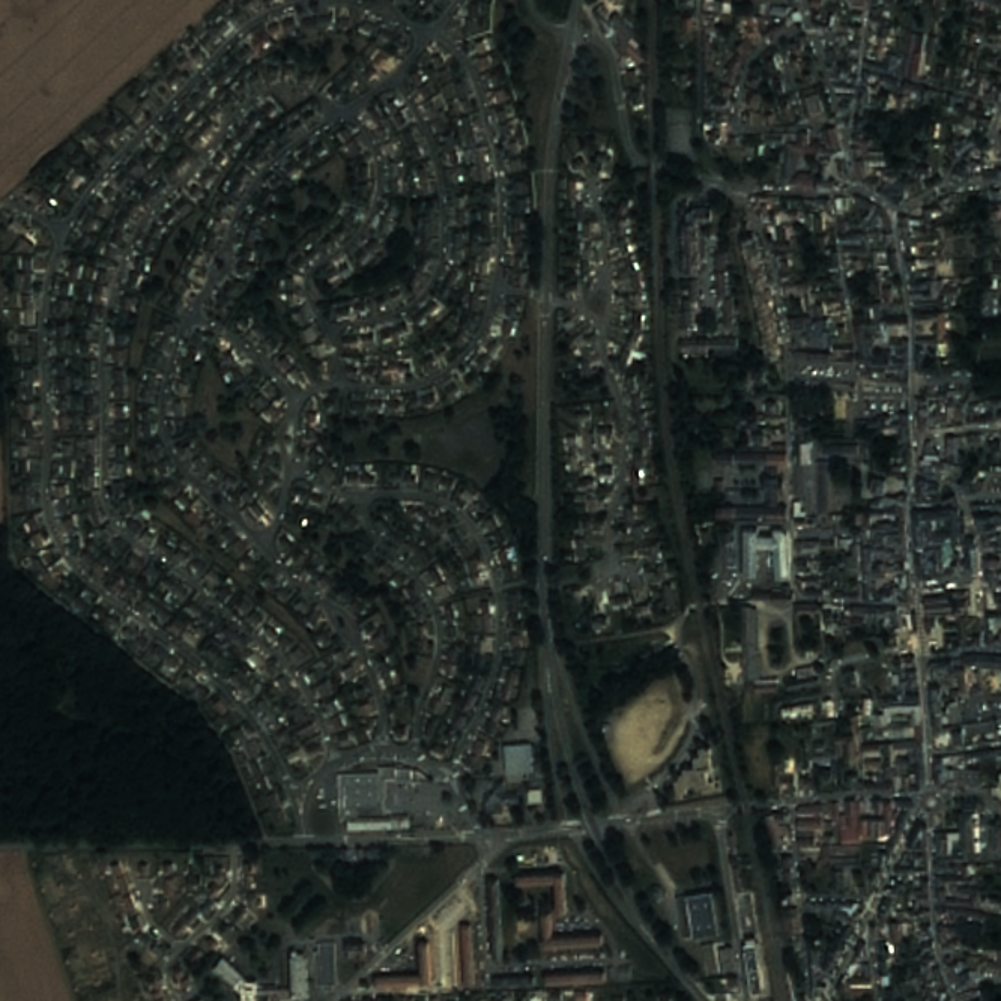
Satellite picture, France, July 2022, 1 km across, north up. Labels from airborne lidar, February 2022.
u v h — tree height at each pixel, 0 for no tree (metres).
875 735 0
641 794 0
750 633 0
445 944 0
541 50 0
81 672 17
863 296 6
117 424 0
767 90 7
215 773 24
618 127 0
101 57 0
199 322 0
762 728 0
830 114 7
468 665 7
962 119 0
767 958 0
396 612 17
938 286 0
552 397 0
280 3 0
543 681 0
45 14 0
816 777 5
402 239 14
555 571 20
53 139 0
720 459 0
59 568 0
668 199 15
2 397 16
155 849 0
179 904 0
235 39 0
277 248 18
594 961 0
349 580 6
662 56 6
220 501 13
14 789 23
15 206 0
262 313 12
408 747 0
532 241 6
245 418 0
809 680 0
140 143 0
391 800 0
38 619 15
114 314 13
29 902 0
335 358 0
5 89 0
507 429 9
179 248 12
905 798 0
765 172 6
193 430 14
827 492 0
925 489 0
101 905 0
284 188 12
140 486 9
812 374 0
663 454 7
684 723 0
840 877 0
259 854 16
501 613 0
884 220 0
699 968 12
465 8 0
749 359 12
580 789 0
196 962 9
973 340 6
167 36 0
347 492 0
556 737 0
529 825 0
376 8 0
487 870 0
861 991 0
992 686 0
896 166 10
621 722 0
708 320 17
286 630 6
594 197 0
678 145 0
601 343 0
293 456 0
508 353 0
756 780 0
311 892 14
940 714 0
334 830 0
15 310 0
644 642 0
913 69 0
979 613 0
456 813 0
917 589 0
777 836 0
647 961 0
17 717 22
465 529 0
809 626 9
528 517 16
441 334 6
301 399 0
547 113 0
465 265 7
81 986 0
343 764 0
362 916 0
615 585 0
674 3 11
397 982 0
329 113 0
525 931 0
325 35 0
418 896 0
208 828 13
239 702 0
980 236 16
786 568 0
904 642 0
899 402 0
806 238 10
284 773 0
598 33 0
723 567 0
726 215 10
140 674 7
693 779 0
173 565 0
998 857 0
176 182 0
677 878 0
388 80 0
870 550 0
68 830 18
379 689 0
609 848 14
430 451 0
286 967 0
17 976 0
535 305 0
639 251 6
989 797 0
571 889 0
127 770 24
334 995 0
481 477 0
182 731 22
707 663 0
